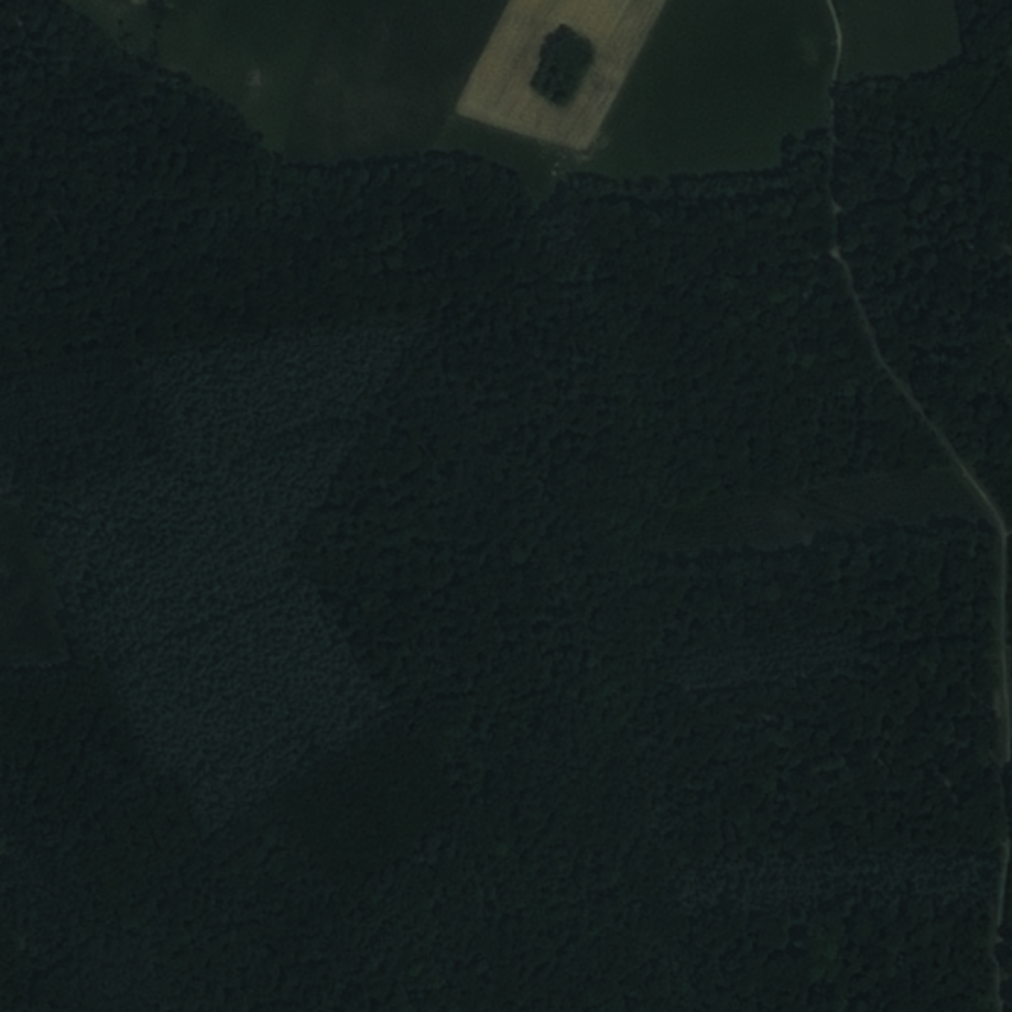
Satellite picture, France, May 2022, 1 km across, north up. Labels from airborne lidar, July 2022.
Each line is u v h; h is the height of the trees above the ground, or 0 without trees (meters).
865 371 26
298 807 24
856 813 28
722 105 0
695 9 0
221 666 24
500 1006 26
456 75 0
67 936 24
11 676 21
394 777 24
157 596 17
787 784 27
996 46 22
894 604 25
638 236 29
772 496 25
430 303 23
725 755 22
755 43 0
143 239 27
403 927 8
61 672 18
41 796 20
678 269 26
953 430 27
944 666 28
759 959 28
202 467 22
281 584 21
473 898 24
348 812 26
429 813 25
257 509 23
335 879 22
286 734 21
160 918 25
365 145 0
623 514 23
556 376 28
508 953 26
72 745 17
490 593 27
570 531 29
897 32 0
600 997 23
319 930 29
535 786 24
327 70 0
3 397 22
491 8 0
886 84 16
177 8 0
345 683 25
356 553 28
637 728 19
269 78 0
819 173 26
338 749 22
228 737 19
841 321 26
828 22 0
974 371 33
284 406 20
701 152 0
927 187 32
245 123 20
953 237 25
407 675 25
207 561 22
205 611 20
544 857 27
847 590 25
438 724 24
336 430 23
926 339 31
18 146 27
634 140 0
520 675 22
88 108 26
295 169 15
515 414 22
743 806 28
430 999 31
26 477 22
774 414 26
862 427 22
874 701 28
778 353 23
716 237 23
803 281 25
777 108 0
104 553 25
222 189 29
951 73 16
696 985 26
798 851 25
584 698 26
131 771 22
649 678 21
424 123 0
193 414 17
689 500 29
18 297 24
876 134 24
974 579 21
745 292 20
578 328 29
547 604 6
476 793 7
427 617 26
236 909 23
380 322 21
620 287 25
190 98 17
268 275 25
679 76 0
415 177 30
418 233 28
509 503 23
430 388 20
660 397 20
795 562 17
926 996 29
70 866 22
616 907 29
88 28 23
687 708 28
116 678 25
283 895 25
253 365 22
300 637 21
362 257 24
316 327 24
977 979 28
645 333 24
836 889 22
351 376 17
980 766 26
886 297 27
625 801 24
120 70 26
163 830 24
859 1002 25
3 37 30
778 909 21
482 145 0
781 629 24
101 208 19
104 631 28
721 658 21
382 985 23
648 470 28
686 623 19
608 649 28
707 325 24
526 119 0
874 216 30
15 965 19
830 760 31
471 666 26
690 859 25
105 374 23
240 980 13
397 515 26
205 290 26
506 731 21
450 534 30
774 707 25
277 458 17
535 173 0
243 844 21
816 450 25
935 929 31
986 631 23
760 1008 21
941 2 0
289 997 25
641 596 28
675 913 25
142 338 26
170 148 27
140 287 24
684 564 27
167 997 23
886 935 27
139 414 22
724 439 31
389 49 0
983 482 11
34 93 28
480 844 25
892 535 29
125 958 28
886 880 28
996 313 34
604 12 0
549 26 0
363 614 29
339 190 21
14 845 18
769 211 26
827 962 27
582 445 23
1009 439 31
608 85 0
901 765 28
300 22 0
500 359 28
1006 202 27
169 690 25
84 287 28
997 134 12
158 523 21
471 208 28
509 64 0
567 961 22
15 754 21
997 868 30
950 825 26
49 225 25
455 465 27
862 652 27
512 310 27
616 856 25
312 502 18
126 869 24
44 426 20
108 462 20
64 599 22
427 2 0
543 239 27
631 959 27
